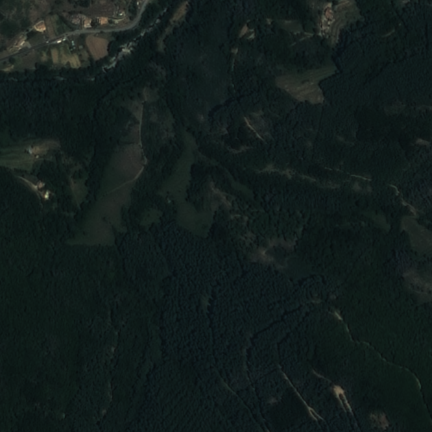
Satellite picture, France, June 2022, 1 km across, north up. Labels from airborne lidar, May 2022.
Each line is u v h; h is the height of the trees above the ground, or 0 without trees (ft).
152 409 96
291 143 62
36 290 75
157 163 44
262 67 20
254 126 0
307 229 57
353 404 38
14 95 55
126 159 0
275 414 70
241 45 22
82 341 85
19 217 46
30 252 60
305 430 91
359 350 63
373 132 59
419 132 50
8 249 50
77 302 45
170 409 96
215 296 109
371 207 61
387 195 53
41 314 72
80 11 27
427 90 74
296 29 0
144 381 114
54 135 23
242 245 23
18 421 62
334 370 60
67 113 56
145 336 81
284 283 126
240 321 114
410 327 72
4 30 0
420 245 0
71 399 63
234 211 31
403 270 76
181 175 0
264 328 94
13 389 51
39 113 83
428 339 70
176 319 125
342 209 90
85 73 62
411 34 59
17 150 0
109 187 0
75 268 29
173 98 97
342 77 74
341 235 62
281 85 0
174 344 126
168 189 0
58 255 56
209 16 28
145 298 82
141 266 131
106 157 76
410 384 50
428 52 55
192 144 0
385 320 63
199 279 123
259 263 22
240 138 59
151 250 116
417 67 63
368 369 75
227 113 122
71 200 41
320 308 62
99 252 36
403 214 42
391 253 49
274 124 22
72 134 48
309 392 68
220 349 111
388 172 38
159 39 68
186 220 0
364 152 47
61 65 0
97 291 71
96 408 87
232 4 58
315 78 0
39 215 37
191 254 118
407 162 32
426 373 63
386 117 51
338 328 67
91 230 0
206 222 0
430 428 57
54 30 0
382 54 79
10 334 60
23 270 73
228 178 59
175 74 59
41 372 49
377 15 48
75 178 40
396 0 22
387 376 69
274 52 49
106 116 36
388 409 47
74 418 89
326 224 63
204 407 136
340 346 71
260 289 131
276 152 66
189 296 127
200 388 102
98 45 0
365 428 74
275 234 64
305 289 90
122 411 99
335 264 29
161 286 98
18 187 27
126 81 24
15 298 80
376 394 63
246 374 48
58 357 48
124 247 116
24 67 0
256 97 100
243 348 97
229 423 106
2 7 0
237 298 132
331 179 26
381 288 76
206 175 31
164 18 59
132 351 62
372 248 23
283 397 41
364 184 23
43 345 33
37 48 0
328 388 28
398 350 73
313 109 64
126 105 0
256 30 25
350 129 38
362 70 73
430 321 81
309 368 69
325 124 45
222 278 130
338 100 69
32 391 65
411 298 59
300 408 67
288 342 76
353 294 64
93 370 93
